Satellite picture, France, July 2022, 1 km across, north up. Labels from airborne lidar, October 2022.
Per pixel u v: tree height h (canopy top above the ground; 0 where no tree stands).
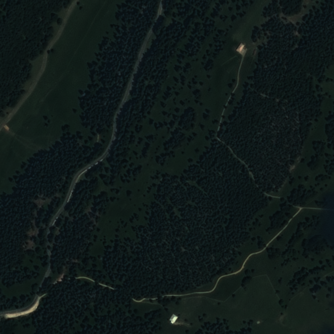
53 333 18
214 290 0
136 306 0
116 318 28
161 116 0
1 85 26
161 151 0
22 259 27
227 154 22
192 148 0
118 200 9
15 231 24
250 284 0
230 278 0
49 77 0
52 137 0
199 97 8
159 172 9
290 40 25
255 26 0
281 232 0
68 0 24
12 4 31
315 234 0
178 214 0
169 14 24
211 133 17
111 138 0
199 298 0
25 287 0
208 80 0
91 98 22
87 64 0
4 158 0
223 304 0
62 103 0
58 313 15
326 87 0
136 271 26
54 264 26
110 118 27
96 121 22
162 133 0
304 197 24
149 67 23
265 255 0
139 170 19
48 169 23
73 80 0
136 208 0
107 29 0
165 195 21
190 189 20
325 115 0
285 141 17
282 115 19
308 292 0
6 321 11
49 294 13
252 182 26
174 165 0
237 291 0
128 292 21
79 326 0
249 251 0
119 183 0
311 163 16
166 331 0
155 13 29
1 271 31
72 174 28
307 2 0
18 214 22
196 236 21
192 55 22
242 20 0
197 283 15
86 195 26
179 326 0
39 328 19
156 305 0
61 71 0
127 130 25
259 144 25
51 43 0
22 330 0
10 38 27
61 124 0
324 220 0
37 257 8
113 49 14
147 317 18
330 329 0
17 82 26
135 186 0
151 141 17
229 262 18
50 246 14
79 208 22
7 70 21
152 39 0
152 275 17
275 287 0
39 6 19
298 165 0
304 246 17
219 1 0
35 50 26
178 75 0
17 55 22
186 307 0
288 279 0
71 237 24
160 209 18
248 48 0
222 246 18
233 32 0
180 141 23
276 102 20
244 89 0
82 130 0
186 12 19
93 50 0
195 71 0
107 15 0
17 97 18
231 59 0
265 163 19
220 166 20
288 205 15
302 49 22
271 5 14
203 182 23
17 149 0
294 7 20
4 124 0
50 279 15
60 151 26
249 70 0
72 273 15
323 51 15
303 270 19
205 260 21
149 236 21
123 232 0
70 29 0
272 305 0
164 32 22
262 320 0
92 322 0
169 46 22
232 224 17
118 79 28
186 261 14
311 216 0
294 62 16
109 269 26
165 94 0
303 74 13
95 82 17
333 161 21
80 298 29
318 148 20
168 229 20
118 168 23
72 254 27
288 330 0
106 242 12
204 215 19
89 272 21
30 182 28
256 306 0
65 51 0
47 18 24
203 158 25
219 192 22
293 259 7
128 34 21
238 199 22
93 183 20
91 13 0
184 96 0
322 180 13
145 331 23
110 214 0
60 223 24
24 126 0
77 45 0
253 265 0
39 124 0
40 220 17
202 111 0
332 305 0
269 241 0
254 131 24
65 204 0
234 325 0
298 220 0
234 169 26
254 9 0
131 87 0
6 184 0
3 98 26
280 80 12
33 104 0
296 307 0
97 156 12
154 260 25
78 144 15
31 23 22
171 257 20
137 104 26
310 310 0
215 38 15
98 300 14
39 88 0
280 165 20
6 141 0
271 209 0
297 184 0
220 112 0
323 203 13
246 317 0
